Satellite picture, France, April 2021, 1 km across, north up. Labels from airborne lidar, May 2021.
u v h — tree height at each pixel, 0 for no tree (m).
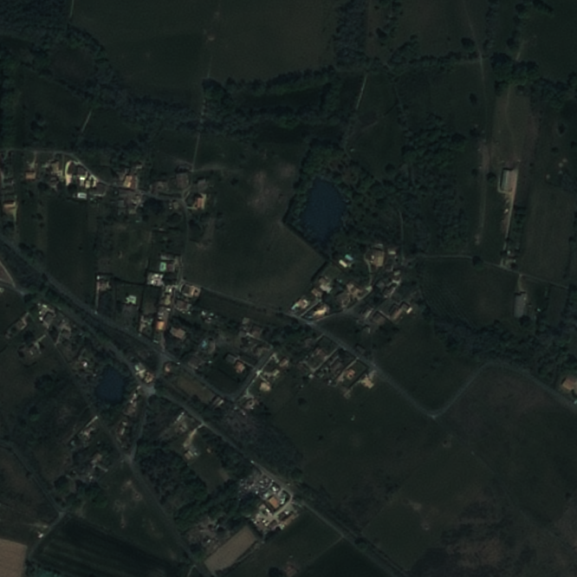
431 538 0
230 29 0
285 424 0
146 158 15
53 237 0
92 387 13
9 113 21
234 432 16
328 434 0
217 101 16
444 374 0
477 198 0
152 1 0
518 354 9
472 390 0
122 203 0
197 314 17
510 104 0
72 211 0
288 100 0
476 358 13
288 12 0
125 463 0
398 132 0
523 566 0
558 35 0
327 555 0
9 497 0
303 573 0
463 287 0
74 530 0
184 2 0
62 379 8
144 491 0
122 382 0
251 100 0
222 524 12
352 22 16
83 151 18
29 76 0
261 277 0
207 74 0
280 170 0
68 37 14
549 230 0
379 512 0
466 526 0
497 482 0
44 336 0
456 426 0
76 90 14
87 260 0
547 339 19
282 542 0
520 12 15
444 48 0
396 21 9
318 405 0
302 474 11
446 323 15
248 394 0
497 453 0
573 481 0
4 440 7
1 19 20
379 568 0
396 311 0
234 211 0
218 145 0
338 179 14
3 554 0
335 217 0
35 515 0
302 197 9
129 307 0
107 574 0
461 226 13
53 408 11
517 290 0
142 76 0
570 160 0
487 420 0
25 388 0
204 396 0
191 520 13
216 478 0
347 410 0
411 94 0
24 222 0
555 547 0
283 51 0
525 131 0
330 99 20
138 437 0
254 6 0
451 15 0
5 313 0
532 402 0
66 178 0
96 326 10
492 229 0
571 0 0
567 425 0
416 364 0
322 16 0
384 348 0
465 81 0
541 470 0
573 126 0
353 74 0
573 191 12
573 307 18
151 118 17
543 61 0
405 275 16
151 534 0
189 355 5
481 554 0
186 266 0
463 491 0
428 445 0
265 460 17
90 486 8
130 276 0
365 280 10
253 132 15
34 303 15
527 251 0
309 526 0
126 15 0
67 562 0
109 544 0
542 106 0
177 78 0
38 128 18
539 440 0
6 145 18
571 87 14
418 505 0
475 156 0
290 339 17
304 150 0
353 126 13
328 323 0
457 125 0
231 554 0
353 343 0
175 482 10
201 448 0
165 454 15
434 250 0
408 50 12
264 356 0
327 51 0
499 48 0
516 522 0
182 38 0
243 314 0
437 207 11
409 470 0
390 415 0
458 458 0
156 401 15
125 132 0
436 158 13
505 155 0
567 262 0
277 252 0
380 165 0
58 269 0
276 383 0
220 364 0
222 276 0
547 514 0
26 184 7
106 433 0
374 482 0
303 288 0
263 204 0
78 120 0
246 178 0
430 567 0
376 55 0
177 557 0
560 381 0
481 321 0
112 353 9
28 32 21
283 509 0
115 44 0
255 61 0
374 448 0
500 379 0
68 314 0
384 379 0
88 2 0
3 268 0
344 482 0
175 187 0
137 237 0
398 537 0
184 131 12
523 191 0
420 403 0
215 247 0
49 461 0
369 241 10
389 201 19
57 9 13
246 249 0
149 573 0
